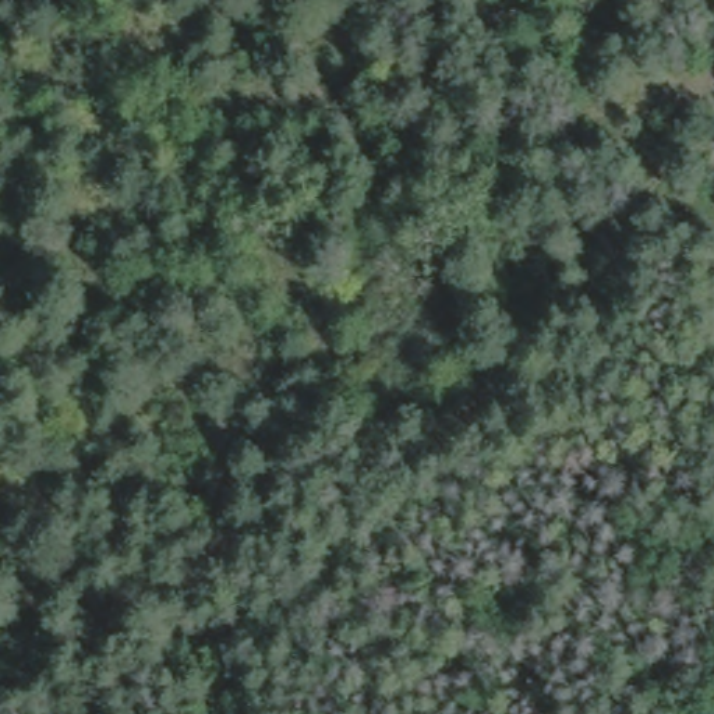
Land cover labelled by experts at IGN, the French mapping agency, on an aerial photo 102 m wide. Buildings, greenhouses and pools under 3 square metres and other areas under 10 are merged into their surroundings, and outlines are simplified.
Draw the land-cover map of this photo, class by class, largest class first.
<instances>
[{"label":"coniferous trees","instance_id":"1","mask_svg":"<svg viewBox=\"0 0 714 714\"><path fill-rule=\"evenodd\" d=\"M39 0H0V42L6 53H14V28ZM134 8L128 17V28L117 42V50L100 56L98 39H86L81 45L86 100H75L70 109L61 112L64 126L45 128V120L39 114L11 117L6 123V131L11 137L28 128L31 142L8 162L6 181L0 190V714H678L697 700V692L706 683L714 681V538L703 541L697 549H689L683 555L681 572L669 583H647V591H633L630 575L647 558L644 541L653 536V530L644 524L633 530V536L614 538L611 527L616 524V510L630 502V496H636V508H647L650 502H655L658 494L669 496L672 502L689 499L692 505H700L703 519H714V0H575L583 17L580 47L575 56V70L569 75H561L558 64L549 56L530 59V50L513 33L516 20L522 14L555 22L547 6L549 0H128ZM162 59H170L173 67L190 70L201 81H206V92L212 98H229V92L265 98L271 92V81H282L284 95L290 100H298L301 95L318 98L326 92L335 103H340L351 92L357 109L374 103L382 109V117L388 123H413L430 142L424 159L435 162V170H427L413 190L424 215L404 220L399 231L402 243L393 251L385 248L374 259V273L365 282H360L349 271L351 257L357 254L354 209L363 206L374 170L371 162L363 156L349 120L340 117L332 123L329 131L315 128L312 134L301 137V142L310 151V162L324 165L326 179L321 195L312 201L304 218L282 220L273 226V231H268L259 240L265 251L282 254L290 265H296L293 279L287 282L290 301L284 312L276 318V326L265 321L259 310L262 296L257 287L248 284L237 290L223 276H212V282L206 284H184L167 282L165 276H145L126 296L114 293L106 271V265L114 257V245L142 226L148 231V240L153 243L162 237V223L167 220L165 209H145L137 201L120 204L117 192L106 190L114 181V176L126 170L128 156L134 151H156V142L148 134H120L126 120L120 114V100L114 89H120L123 81L142 78ZM357 310L368 318L371 340L360 351H337V321L354 315ZM312 329L321 337L318 351L301 357H282V346L287 337L310 335ZM349 374L363 377L374 396V410L365 416V421L360 416L343 421V416H337L329 407L335 402L337 382H346ZM427 566L432 572V586L427 600L416 602V594L407 588V583L416 580L413 569ZM477 577L499 588L496 605L505 622H527L516 639L463 630V611L457 597L466 594ZM45 89V78L36 70H25L14 98L17 106L28 103L33 95Z\"/></svg>","mask_w":714,"mask_h":714},{"label":"deciduous trees","instance_id":"2","mask_svg":"<svg viewBox=\"0 0 714 714\"><path fill-rule=\"evenodd\" d=\"M134 8L128 0H39L14 28V53H6L0 42V190L6 181L8 162L31 142L28 128L11 137L6 131V123L11 117L39 114L45 120V128L64 126L61 112L70 109L75 100H86L81 45L86 39H98L100 56L117 50V42L128 28V17ZM25 70H36L45 78V89L33 95L28 103L17 106L14 98ZM547 6L555 22L522 14L516 20L513 33L530 50V59L549 56L558 64L561 75H569L575 70V56L580 47L583 17L575 0H549ZM120 100V114L126 120L120 134H148L156 142V151H134L128 156L126 170L114 176V181L106 190L117 192L120 204L137 201L145 209H165L167 220L162 223V237L153 243L148 240V231L142 226L114 245V257L106 265V271L114 293L126 296L145 276H165L167 282L184 284H206L212 282V276H223L237 290L248 284L257 287L262 296L259 310L265 321L276 326V318L284 312L290 301L287 282L293 279L296 265H290L282 254L265 251L259 240L268 231H273V226L282 220L304 218L312 201L321 195L326 179L324 165L310 162V151L301 142V137L312 134L315 128L329 131L332 123L340 117L349 120L363 156L371 162L374 170L363 206L354 209L357 254L351 257L349 271L360 282H365L374 273V259L385 248L393 251L402 243L399 231L404 220L424 215L413 190L427 170H435V162L424 159L430 142L413 123H388L382 117V109L374 103L357 109L351 92L340 103H335L326 92L318 98L301 95L298 100H290L284 95L282 81H271V92L265 98L229 92V98H212L206 92V81H201L190 70L173 67L170 59H162L142 78L123 81L120 89H114ZM337 351H360L371 340L368 318L357 310L354 315L337 321ZM321 337L312 329L310 335L287 337L282 346V357H301L318 351ZM329 407L337 416H343V421L360 416L365 421V416L374 410V396L363 377L349 374L346 382H337L335 402ZM644 524L653 530V536L644 541L647 558L630 575L633 591H647V583H669L681 572L683 555L689 549H697L703 541L714 538V519H703L700 505H692L689 499L672 502L669 496L658 494L655 502H650L647 508H636V496H630V502L616 510V524L611 527L614 538L633 536V530ZM416 580L407 583V588L416 594V602L427 600L432 586V572L427 566L413 569ZM499 588L477 577L466 594L457 597L463 611V630L516 639L527 622H505L496 605ZM678 714H714V681L706 683L697 692V700Z\"/></svg>","mask_w":714,"mask_h":714}]
</instances>
